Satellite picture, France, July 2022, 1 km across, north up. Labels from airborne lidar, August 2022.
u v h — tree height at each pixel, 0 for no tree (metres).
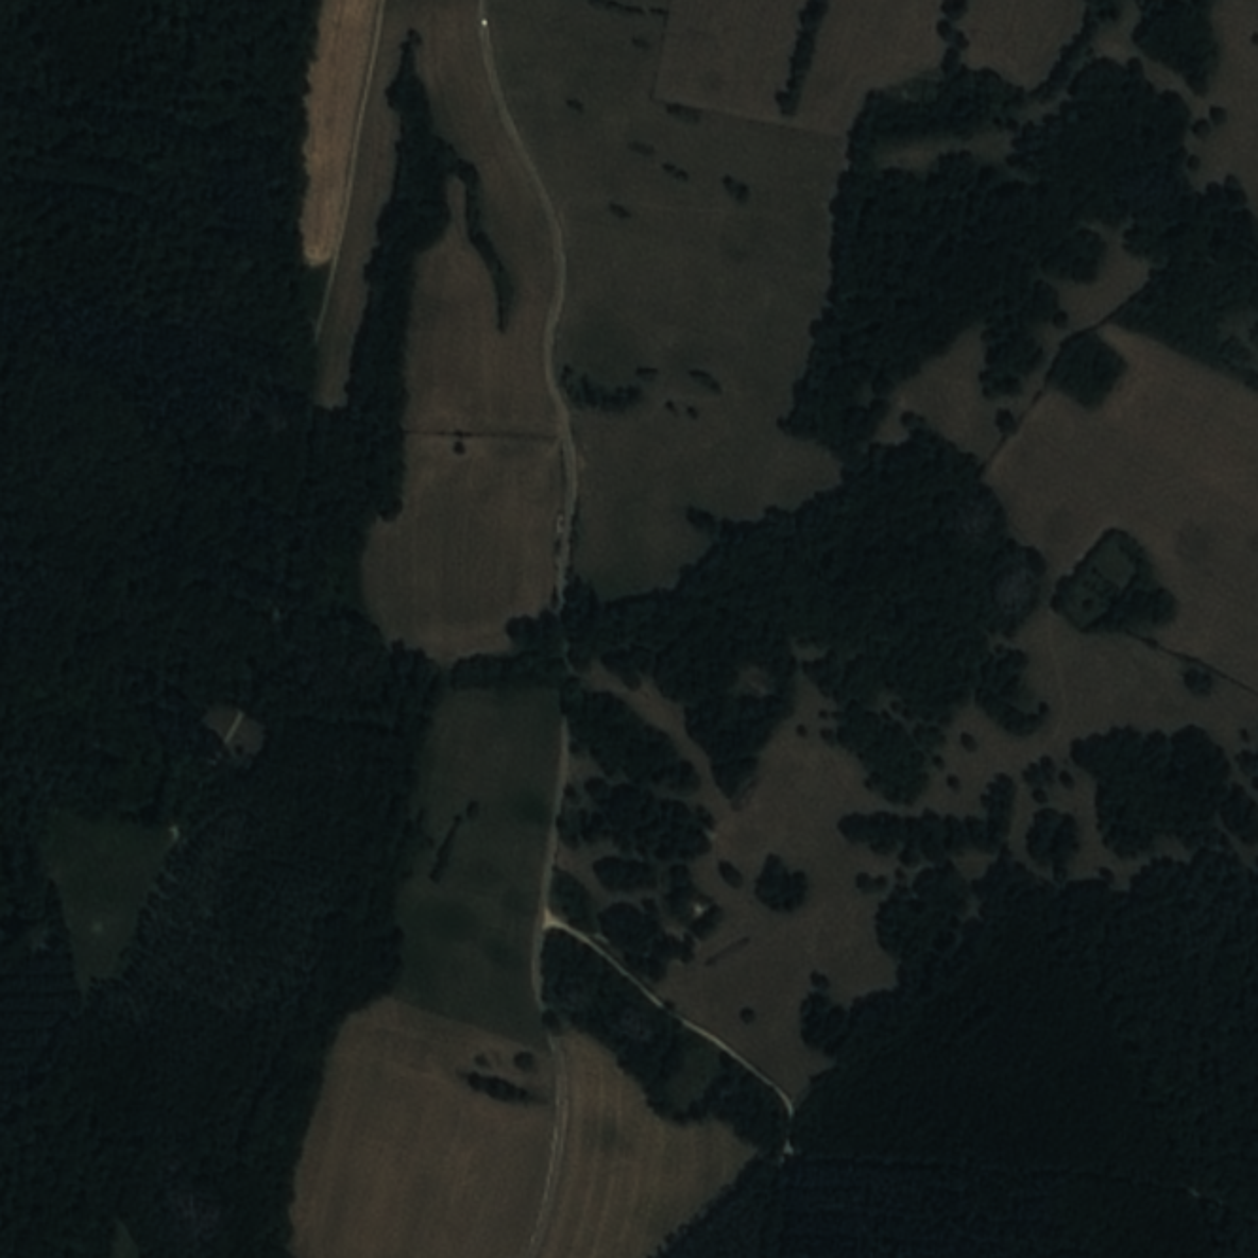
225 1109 9
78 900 0
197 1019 15
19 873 26
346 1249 0
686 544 0
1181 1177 11
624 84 0
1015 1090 18
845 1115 14
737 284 0
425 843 8
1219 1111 17
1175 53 13
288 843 12
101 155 21
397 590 0
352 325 0
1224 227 18
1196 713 0
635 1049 18
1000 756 0
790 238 0
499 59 0
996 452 0
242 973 18
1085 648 0
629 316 0
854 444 14
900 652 11
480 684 6
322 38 0
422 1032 0
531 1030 0
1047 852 17
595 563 0
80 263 16
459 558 0
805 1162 19
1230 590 0
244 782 15
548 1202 0
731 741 15
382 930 8
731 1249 18
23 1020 16
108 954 0
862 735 15
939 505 15
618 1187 0
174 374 22
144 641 24
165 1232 23
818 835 0
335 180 0
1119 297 0
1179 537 0
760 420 0
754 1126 20
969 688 9
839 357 10
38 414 20
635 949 11
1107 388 8
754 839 0
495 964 0
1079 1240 15
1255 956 16
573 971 13
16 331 23
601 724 11
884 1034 18
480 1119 0
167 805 18
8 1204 22
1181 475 0
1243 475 0
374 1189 0
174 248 18
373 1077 0
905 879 10
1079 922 19
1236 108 0
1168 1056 21
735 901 0
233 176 22
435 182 14
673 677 12
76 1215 18
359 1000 14
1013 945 12
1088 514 0
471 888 0
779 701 9
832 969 0
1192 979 17
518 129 0
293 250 20
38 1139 24
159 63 13
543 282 0
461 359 0
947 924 11
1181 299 7
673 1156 0
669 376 0
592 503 0
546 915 0
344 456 23
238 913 17
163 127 14
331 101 0
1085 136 15
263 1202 17
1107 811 12
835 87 0
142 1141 24
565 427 0
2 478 18
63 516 23
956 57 12
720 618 12
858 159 16
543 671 7
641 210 0
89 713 22
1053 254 13
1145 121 9
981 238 16
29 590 20
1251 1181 19
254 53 22
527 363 0
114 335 28
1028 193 13
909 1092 15
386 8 0
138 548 20
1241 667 0
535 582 0
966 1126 16
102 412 19
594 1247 0
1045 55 0
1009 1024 14
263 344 17
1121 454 0
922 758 10
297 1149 17
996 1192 15
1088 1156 12
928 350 9
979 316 9
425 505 0
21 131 19
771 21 0
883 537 13
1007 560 11
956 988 12
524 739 0
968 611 7
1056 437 0
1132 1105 13
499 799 0
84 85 13
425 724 18
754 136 0
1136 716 0
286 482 15
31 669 20
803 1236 19
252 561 10
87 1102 20
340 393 0
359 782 19
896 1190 20
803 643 7
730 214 0
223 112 20
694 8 0
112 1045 18
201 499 24
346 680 23
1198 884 21
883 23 0
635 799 14
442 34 0
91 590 19
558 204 0
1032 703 0
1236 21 0
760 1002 0
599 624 10
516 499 0
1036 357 13
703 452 0
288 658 18
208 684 20
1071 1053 13
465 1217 0
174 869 13
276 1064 15
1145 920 16
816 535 15
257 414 22
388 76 0
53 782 15
